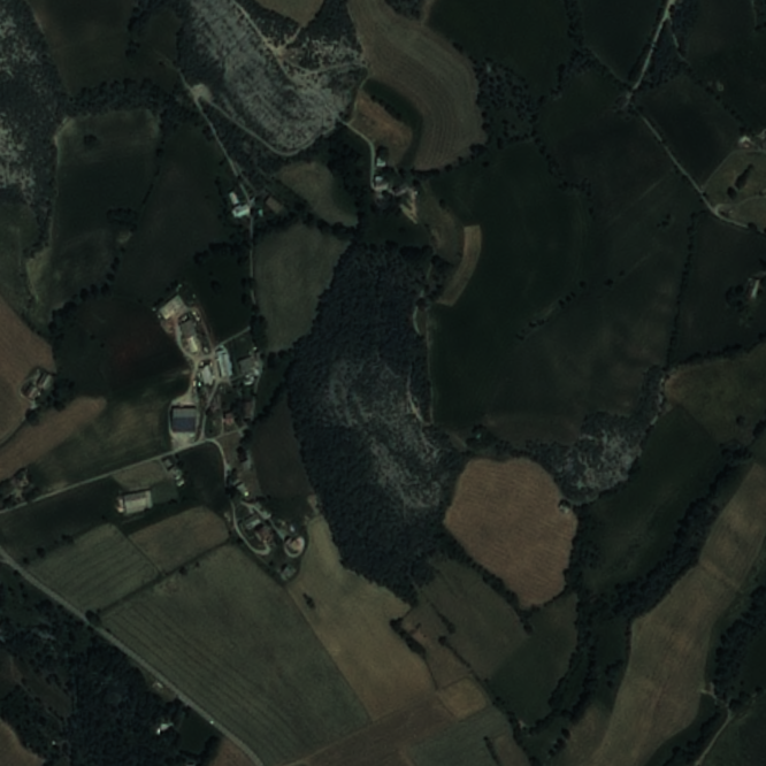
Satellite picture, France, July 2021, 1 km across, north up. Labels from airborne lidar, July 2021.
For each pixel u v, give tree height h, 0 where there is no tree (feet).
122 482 0
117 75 0
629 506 0
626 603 68
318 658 0
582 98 0
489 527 0
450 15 0
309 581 0
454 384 0
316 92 0
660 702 0
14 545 0
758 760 0
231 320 0
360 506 29
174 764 72
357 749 0
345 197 0
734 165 0
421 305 46
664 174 0
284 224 71
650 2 0
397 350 34
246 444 38
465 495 0
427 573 41
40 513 0
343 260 37
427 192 0
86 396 0
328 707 0
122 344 0
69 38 0
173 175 0
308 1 0
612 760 0
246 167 30
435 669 0
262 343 47
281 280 0
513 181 0
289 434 0
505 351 0
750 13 0
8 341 0
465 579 0
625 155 0
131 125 0
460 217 0
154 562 0
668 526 0
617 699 0
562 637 0
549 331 0
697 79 25
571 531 0
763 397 0
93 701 57
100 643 27
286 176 0
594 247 0
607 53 0
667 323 0
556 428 0
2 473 0
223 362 0
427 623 0
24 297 0
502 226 0
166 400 0
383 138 0
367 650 0
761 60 0
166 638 0
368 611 0
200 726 0
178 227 0
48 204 30
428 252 33
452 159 0
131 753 60
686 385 0
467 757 0
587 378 0
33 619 0
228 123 19
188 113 37
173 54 0
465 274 0
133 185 0
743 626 60
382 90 0
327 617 0
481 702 0
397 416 0
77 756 66
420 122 0
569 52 0
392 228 0
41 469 0
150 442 0
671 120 0
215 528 0
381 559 52
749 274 0
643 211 0
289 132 0
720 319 0
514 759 0
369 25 0
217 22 0
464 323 0
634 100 39
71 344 0
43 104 20
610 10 0
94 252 0
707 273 0
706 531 37
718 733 0
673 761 30
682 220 0
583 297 0
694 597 0
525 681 0
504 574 0
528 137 29
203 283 0
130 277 0
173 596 0
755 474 0
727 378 0
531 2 0
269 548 0
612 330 0
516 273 0
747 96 0
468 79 0
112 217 24
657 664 0
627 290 0
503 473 0
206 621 0
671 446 0
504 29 0
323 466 42
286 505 0
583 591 31
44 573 0
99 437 0
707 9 0
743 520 0
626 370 0
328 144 32
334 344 31
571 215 0
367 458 21
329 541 0
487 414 0
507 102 47
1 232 0
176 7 22
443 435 24
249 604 0
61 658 23
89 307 0
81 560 0
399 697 0
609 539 0
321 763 0
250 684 0
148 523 0
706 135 0
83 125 0
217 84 21
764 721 0
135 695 79
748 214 0
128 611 0
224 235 0
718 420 0
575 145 0
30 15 18
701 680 0
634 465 29
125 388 0
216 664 0
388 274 62
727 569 0
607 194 0
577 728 0
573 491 20
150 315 0
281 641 0
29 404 0
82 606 0
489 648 0
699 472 0
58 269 0
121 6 0
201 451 0
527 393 0
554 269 0
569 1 50
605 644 0
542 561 0
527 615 23
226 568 0
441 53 0
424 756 0
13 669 0
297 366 48
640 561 0
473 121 0
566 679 31
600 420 22
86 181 0
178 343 0
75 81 0
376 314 36
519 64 0
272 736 0
